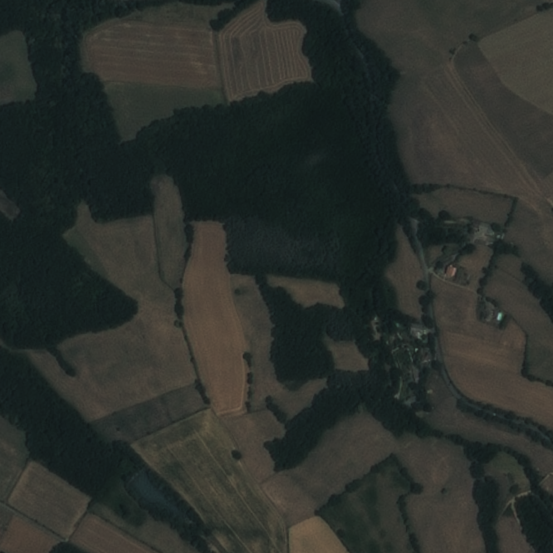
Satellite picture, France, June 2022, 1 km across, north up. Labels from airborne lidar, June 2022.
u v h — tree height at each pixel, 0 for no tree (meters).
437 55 0
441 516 0
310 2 24
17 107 17
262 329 0
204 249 0
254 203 9
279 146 12
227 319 0
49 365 0
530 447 0
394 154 20
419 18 0
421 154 0
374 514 0
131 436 0
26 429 16
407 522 11
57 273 19
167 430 0
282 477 0
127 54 0
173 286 0
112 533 0
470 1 0
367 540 0
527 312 0
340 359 0
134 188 19
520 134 0
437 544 0
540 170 0
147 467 7
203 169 13
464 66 0
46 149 18
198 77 0
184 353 0
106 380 0
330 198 8
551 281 0
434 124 0
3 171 17
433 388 0
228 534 0
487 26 0
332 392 22
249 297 0
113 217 10
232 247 17
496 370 0
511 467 0
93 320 18
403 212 25
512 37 0
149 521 0
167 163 12
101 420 0
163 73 0
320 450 0
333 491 0
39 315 15
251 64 0
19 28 19
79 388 0
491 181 0
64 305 16
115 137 17
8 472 0
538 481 18
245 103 15
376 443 0
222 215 8
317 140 8
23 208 16
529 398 0
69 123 26
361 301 7
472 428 0
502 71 0
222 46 0
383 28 0
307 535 0
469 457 14
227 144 15
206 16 0
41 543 0
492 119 0
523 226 0
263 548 0
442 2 0
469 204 0
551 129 0
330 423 23
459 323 0
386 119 21
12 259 17
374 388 24
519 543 0
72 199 17
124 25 0
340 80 20
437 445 0
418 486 15
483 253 0
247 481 0
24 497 0
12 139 16
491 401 0
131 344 0
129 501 0
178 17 0
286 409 0
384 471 0
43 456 16
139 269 0
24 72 0
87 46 0
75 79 24
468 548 0
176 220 0
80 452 25
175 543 0
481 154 0
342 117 15
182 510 12
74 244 0
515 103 0
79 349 0
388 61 17
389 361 22
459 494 0
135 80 0
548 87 0
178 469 0
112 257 0
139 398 0
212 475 0
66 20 24
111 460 22
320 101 8
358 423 0
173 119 11
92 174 19
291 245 15
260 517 0
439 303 0
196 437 0
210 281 0
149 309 0
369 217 9
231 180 7
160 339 0
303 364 19
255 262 22
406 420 13
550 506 12
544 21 0
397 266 0
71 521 0
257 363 0
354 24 19
